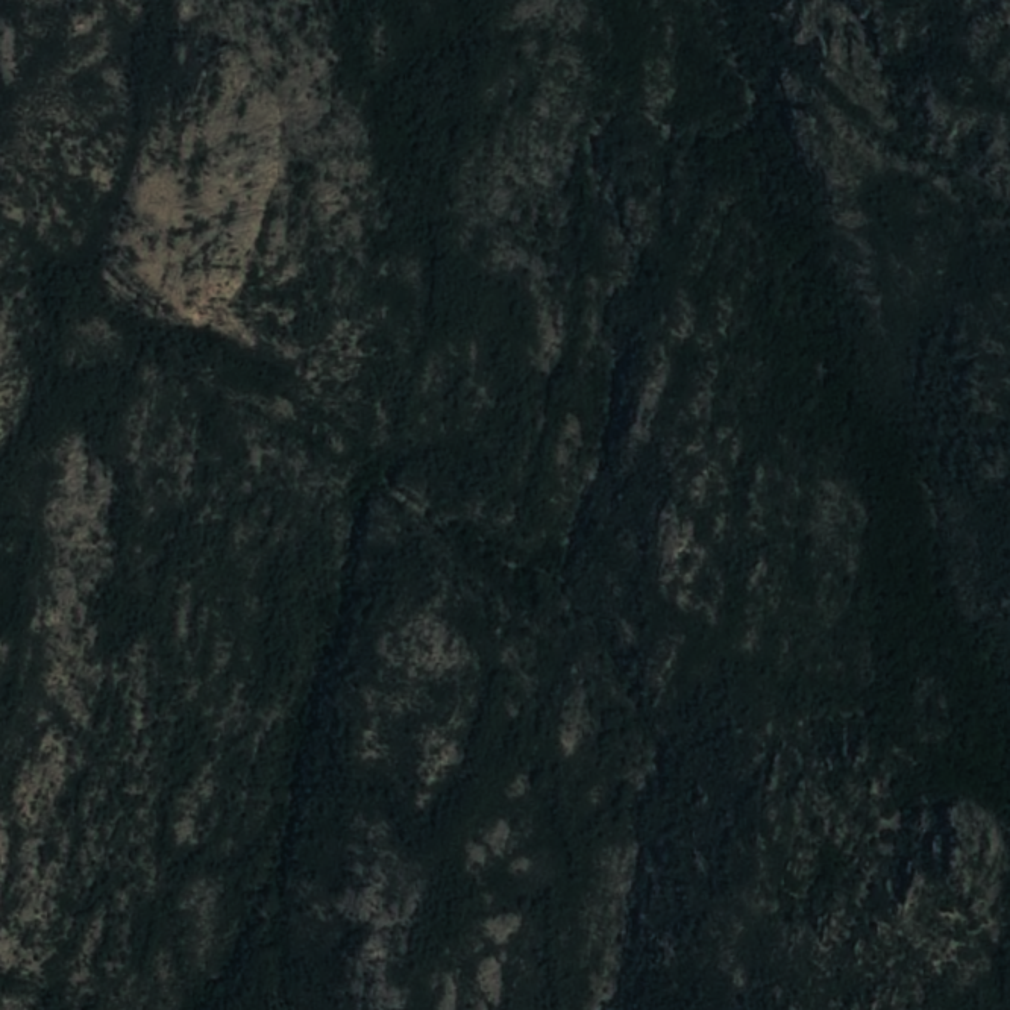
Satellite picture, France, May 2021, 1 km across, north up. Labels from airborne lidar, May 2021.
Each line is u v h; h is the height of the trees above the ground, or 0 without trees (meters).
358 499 11
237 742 14
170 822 15
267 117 0
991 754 23
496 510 10
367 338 14
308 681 14
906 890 12
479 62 32
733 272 9
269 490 10
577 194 7
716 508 7
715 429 12
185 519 13
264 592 8
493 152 9
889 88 8
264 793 16
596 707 13
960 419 8
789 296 13
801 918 8
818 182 6
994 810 10
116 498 16
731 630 7
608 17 12
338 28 5
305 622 15
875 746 9
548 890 14
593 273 6
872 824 16
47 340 12
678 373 6
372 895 0
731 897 11
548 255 13
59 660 8
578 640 8
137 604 15
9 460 14
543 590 22
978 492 16
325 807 13
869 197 5
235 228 0
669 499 10
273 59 6
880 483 20
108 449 12
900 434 18
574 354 7
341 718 10
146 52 15
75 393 18
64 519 0
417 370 7
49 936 10
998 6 7
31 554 13
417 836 13
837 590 11
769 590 10
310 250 11
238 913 9
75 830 6
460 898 13
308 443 11
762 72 19
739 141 17
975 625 7
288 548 12
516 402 14
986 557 7
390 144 6
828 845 15
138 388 14
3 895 11
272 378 12
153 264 0
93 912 14
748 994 8
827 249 10
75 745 16
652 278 16
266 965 17
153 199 0
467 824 15
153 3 15
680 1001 13
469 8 13
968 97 5
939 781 17
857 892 8
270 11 11
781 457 10
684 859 13
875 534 16
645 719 9
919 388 17
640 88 9
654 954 8
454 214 7
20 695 12
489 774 18
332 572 14
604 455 12
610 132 11
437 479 6
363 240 8
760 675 7
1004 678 13
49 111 0
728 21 10
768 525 6
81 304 21
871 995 13
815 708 20
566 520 7
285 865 9
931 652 15
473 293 15
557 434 7
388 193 15
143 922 6
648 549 13
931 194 16
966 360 9
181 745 12
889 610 20
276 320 6
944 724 10
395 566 15
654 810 12
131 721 9
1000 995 8
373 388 14
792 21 6
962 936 10
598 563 6
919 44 14
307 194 9
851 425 24
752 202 11
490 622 10
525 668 9
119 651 12
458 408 12
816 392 19
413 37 6
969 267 7
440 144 19
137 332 16
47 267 16
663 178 8
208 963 7
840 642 9
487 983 0
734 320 6
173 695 6
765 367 9
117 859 13
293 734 15
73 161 6
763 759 8
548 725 15
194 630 11
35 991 8
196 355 19
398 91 18
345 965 9
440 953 13
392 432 15
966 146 16
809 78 6
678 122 13
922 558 22
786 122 7
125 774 12
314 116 0
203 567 15
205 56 9
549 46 6
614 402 8
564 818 18
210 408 6
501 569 8
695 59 12
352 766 11
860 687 6
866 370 11
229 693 12
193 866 19
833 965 12
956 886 15
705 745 14
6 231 10
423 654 0
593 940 8
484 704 14
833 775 13
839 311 11
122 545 17
